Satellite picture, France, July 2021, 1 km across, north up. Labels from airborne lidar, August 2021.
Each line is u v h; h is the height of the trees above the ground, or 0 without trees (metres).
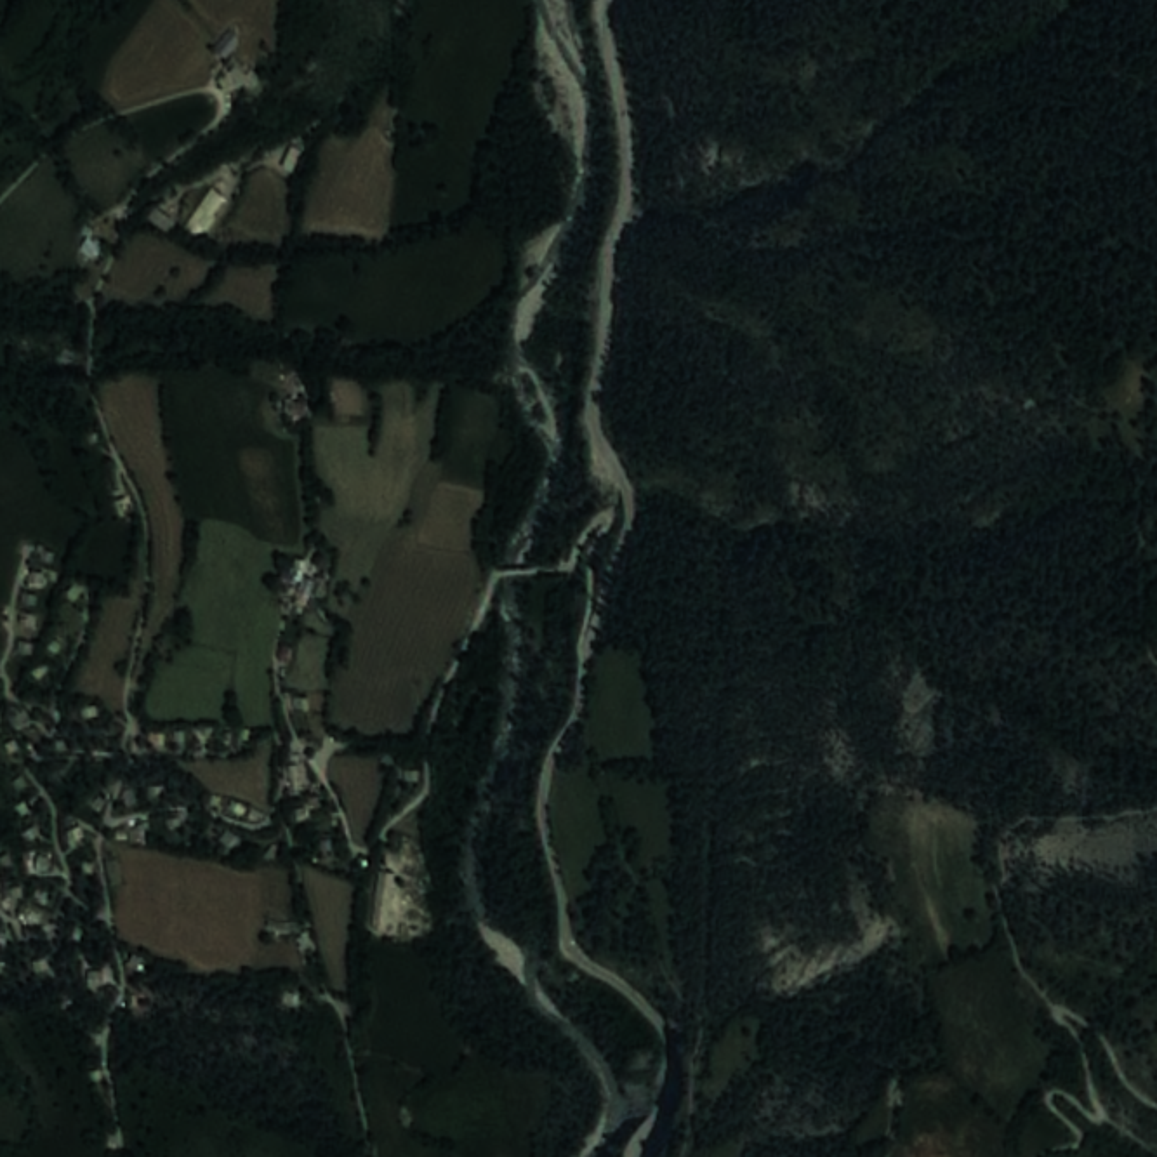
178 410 0
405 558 0
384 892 0
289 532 0
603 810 7
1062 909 12
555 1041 7
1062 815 9
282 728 10
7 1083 11
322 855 8
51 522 0
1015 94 19
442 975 6
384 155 0
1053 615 18
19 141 7
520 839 10
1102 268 18
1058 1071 10
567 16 0
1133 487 10
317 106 7
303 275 0
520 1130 0
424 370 12
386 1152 0
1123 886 7
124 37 0
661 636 19
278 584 15
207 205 0
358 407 0
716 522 7
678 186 8
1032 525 14
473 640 12
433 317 0
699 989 10
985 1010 0
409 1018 0
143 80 0
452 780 11
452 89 0
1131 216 32
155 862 0
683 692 13
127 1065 13
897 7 17
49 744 15
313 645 0
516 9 0
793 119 8
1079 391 7
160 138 0
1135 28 27
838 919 6
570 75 0
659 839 0
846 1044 14
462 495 0
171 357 10
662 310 12
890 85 15
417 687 0
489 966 20
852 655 11
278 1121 22
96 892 13
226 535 0
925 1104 0
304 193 13
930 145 14
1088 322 7
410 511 6
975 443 7
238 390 0
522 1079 0
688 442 14
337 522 0
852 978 13
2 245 0
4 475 0
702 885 10
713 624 10
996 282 16
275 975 7
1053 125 22
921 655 9
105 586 13
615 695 0
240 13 0
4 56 0
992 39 9
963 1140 0
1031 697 12
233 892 0
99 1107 8
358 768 0
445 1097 0
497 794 12
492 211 21
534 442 12
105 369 8
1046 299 9
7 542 0
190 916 0
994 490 15
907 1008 10
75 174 13
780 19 14
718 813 10
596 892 10
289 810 10
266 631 0
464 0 0
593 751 9
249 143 9
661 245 13
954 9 13
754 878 8
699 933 12
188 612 19
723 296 6
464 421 0
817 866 16
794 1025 14
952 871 0
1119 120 23
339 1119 14
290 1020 7
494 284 0
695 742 8
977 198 9
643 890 11
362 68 5
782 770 8
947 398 9
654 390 6
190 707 0
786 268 9
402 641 0
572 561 0
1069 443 14
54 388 8
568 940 0
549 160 18
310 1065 7
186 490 0
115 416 0
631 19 12
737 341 12
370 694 0
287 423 9
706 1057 7
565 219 13
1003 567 17
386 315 0
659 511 25
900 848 0
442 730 19
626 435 15
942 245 26
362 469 0
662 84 12
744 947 7
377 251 15
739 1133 11
